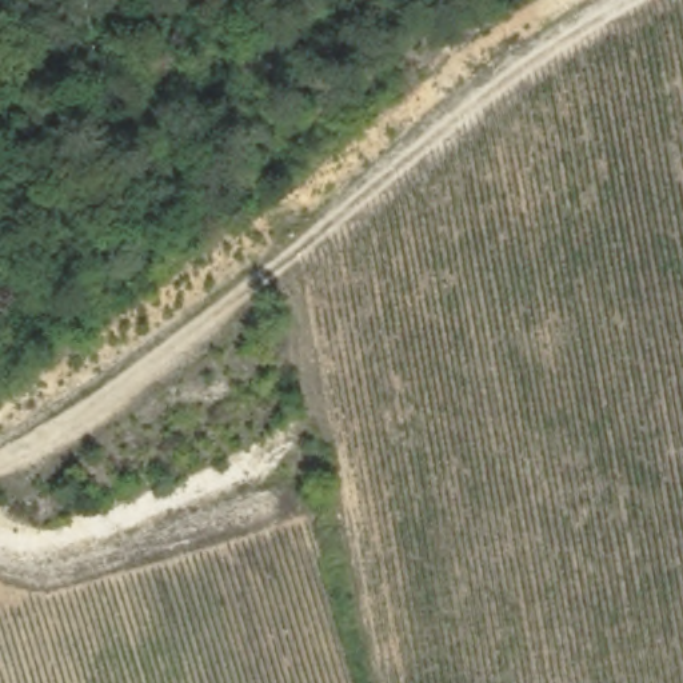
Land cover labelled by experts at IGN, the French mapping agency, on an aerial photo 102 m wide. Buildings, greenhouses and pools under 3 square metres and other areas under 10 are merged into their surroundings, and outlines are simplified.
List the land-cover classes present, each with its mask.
<instances>
[{"label":"vineyard","instance_id":"1","mask_svg":"<svg viewBox=\"0 0 683 683\"><path fill-rule=\"evenodd\" d=\"M635 13L614 19L606 35H600L595 43L576 48L566 59L552 61L539 80L520 83L512 93L502 96L494 107L483 112L478 125L459 133V141L454 147H448L438 157L422 160L403 181H398L384 195V203L352 216L347 221V235H336L320 243L307 261L283 272L277 277L280 291L291 309L285 339L291 366H296L299 387L307 406L293 419L301 432L315 435H323L333 443L336 464L339 470L344 504L339 510V518L344 523V536L350 544V592L360 598V646L371 651L374 683H683V0H635ZM13 568L0 566V683H352L344 651L333 635V603L325 592L320 547L312 536L309 520L299 528L272 534L264 542H253L237 550L235 563H227L216 555L203 563H184L181 568L157 571L152 576H139L136 582L125 584H104L101 576L96 582H80L53 592H24L3 584Z\"/></svg>","mask_w":683,"mask_h":683},{"label":"deciduous trees","instance_id":"2","mask_svg":"<svg viewBox=\"0 0 683 683\"><path fill-rule=\"evenodd\" d=\"M112 5V13L104 16V32L115 37L104 45V51L112 53L128 72L123 77L80 83L69 77V72L80 59L88 56V48L69 45L64 51H51L45 40H40L35 32L19 24L21 5L16 0H0V406L13 395H21L27 387H40V374L51 371L56 363H67L69 368L80 371L85 360H96L101 347L99 331L112 323L115 312H125L128 307H133V301L155 296L160 285L168 283L173 269H181L184 264H208L213 259V232L219 227H237V213L248 211L253 219H259L267 208L277 205L288 192L301 187L325 160L342 157L350 141L363 139V133L384 109L398 107L427 77L440 75L451 53L456 51L454 45L486 37L499 21H507L526 0H374L371 5L379 13H392L400 19L398 53L382 72H376L366 85H360L368 104L350 109L339 117L320 112V104L312 101L315 88L307 85L315 77L320 61L344 64L347 56L355 51L347 43H331L333 27L325 21L331 13L323 0H107ZM285 93H299L307 99L304 107L296 112L301 123L277 120V139L272 144H259L261 168H256L240 184V189L229 195H205L203 173L211 165L213 152L224 155L232 147L229 136L235 133V128L259 125L264 120L261 107L277 109ZM88 109L101 120H112L107 128V144L115 152H133L139 147L147 149L155 163L144 173L123 179L115 168V152L88 165L59 163L53 157V147H61L72 133H80ZM117 243H133L147 251L144 264L120 283L104 269L107 261L123 256V248ZM299 499L312 510L323 520L339 518V510L344 504L339 470L333 475L315 472L307 478Z\"/></svg>","mask_w":683,"mask_h":683},{"label":"herbaceous vegetation","instance_id":"3","mask_svg":"<svg viewBox=\"0 0 683 683\"><path fill-rule=\"evenodd\" d=\"M592 0H526L507 21H499L486 37L454 45L456 51L451 53L440 75L427 77L398 107L384 109L363 133V139L350 141L342 157L325 160L301 187L288 192L277 205L267 208L259 219H253L248 211L237 213V227H219L213 232V259L208 264H184L181 269H173L168 283L160 285L155 296L133 301V307H128L125 312H115L112 323L99 331L101 347L96 360H85L80 371L69 368L67 363H56L51 371L40 374V387H27L21 395H13L0 406V448L32 435L37 427L53 422L85 398L96 395L112 379L136 366L144 355L157 350L195 317H200L235 285L248 283L251 264L267 267L291 240L309 229L323 213H328L333 203L344 200L358 184H363L371 168L392 157L398 147L411 144L435 120L451 112L467 93L488 83L494 72L502 69L507 56H523L531 45L550 37V32H555L558 27L579 19V13ZM240 328L237 315L221 323V328L208 342L187 352L184 363L147 384L136 398H131L125 408L139 419L149 422L173 403H213L221 395H227V384L232 379L253 376L259 368L256 360H248L235 347ZM264 366H291L285 339H280L272 347ZM285 440L293 443V448L280 459V464L267 478L235 483L227 491L195 499L192 504L168 510L131 528L115 531L104 539L93 536L61 550H51L45 552V558H37V552H16L0 547V566L13 568L3 584L24 592H53L80 582H96L101 576L104 584H125L136 582L139 576H152L157 571L181 568L184 563H203L216 555L227 563H235L237 550L253 542H264L272 534L299 528L309 520L312 510L299 499L307 478L315 472L333 475L339 470L336 464L323 456H299L296 440L304 446L315 435L301 432L293 419L285 422L280 430Z\"/></svg>","mask_w":683,"mask_h":683},{"label":"brushwood","instance_id":"4","mask_svg":"<svg viewBox=\"0 0 683 683\"><path fill-rule=\"evenodd\" d=\"M237 315L240 328L235 347L248 360H256L259 368L253 376L232 379L227 384V395H221L213 403H173L149 422L139 419L125 408L104 424H99L93 432L83 435L67 451L45 456L37 464H29L0 478V510H5L13 520H21L40 531L64 528L77 515H104L117 504L136 502L141 494L168 496L179 486H184L195 472H224L235 454L264 443L269 435L280 430L285 422L293 419L307 406L299 387L296 366H264L272 347L280 339H285L291 309L280 291H251L248 304ZM299 456H323L336 464L333 443L323 435H315L304 446L296 440ZM312 536L320 547L325 592L333 603V635L344 651L352 683H374L371 651L360 646V598L350 592V544L344 536V523L339 518L323 520L312 510L309 520Z\"/></svg>","mask_w":683,"mask_h":683},{"label":"pervious surface","instance_id":"5","mask_svg":"<svg viewBox=\"0 0 683 683\"><path fill-rule=\"evenodd\" d=\"M635 0H592L579 13V19L558 27L555 32H550V37L531 45L523 56H507L502 69L494 72L488 83L467 93L451 112L435 120L411 144L398 147L392 157L371 168L363 184H358L344 200L333 203L328 213H323L309 229L291 240L267 267L251 264L248 283L235 285L200 317H195L157 350L144 355L136 366L112 379L96 395L85 398L53 422L37 427L32 435L0 448V478L29 464H37L45 456L67 451L83 435L93 432L99 424H104L125 408L131 398H136L147 384L184 363L187 352L208 342L221 328V323L237 315L248 304L251 291H280L277 277L283 272L307 261L320 243L336 235H347V221L352 216L384 203V195L398 181H403L422 160L438 157L448 147H454L459 141V133L478 125L483 112L494 107L502 96L512 93L520 83L539 80L552 61L566 59L576 48L595 43L600 35H606L614 19L635 13Z\"/></svg>","mask_w":683,"mask_h":683},{"label":"coniferous trees","instance_id":"6","mask_svg":"<svg viewBox=\"0 0 683 683\"><path fill-rule=\"evenodd\" d=\"M21 5L19 24L35 32L40 40H45L51 51H64L69 45L88 48V56L80 59L69 72V77L80 83L123 77L128 72L112 53L104 51V45L115 37L104 32V16L112 13V5L107 0H16ZM331 13L325 21L333 27L331 43H347L355 51L347 56L344 64L320 61L315 77L307 85L315 88L312 101L320 104V112L339 117L350 109L368 104L360 85H366L376 72H382L398 53L400 19L392 13H379L371 5L374 0H323ZM307 99L299 93H285L277 109L261 107L264 120L259 125L235 128V133L229 136L232 147L224 155L213 152L211 165L203 173L205 195H229L240 189V184L256 168H261L259 144H272L277 139V120L301 123L296 112L304 107ZM112 120H101L88 109L80 133H72L61 147H53V157L59 163L88 165L115 152L107 144V128ZM155 163L147 149L139 147L133 152H115V168L123 179L144 173ZM123 248V256L107 261L104 269L120 283L144 264L147 251L133 243H117Z\"/></svg>","mask_w":683,"mask_h":683},{"label":"bare soil","instance_id":"7","mask_svg":"<svg viewBox=\"0 0 683 683\"><path fill-rule=\"evenodd\" d=\"M293 448V443L285 440L280 430L269 435L264 443L235 454L224 472H195L184 486H179L168 496L141 494L136 502L117 504L104 515H77L64 528L40 531L21 520H13L5 510H0V547L16 552H37V558H45V552L51 550H61L93 536L104 539L115 531L131 528L168 510L192 504L195 499L227 491L235 483L267 478L280 464V459Z\"/></svg>","mask_w":683,"mask_h":683}]
</instances>
